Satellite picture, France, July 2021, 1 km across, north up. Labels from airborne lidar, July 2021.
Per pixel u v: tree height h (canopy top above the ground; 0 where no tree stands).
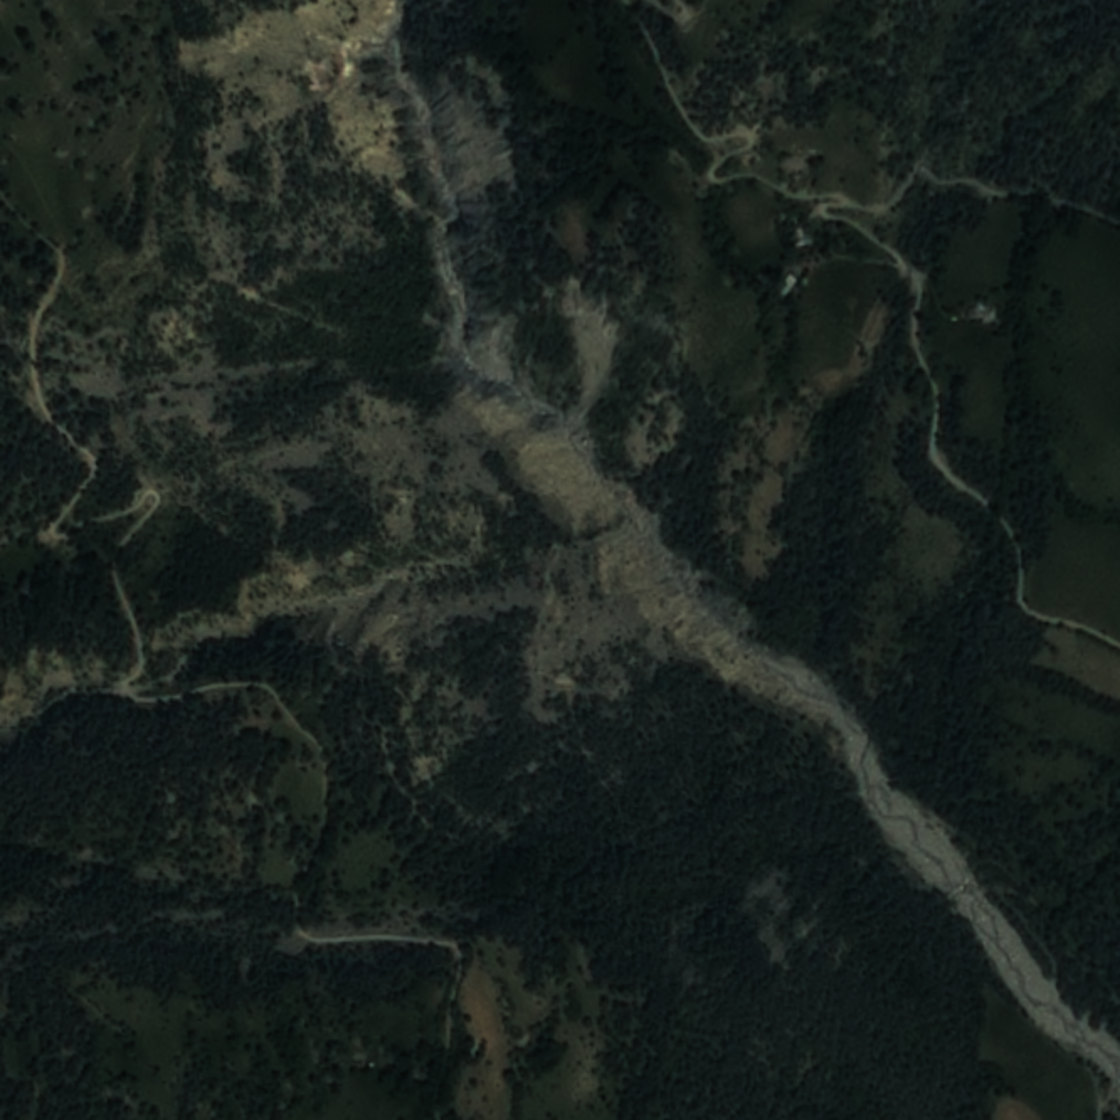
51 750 14
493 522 6
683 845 10
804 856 14
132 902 14
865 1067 9
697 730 10
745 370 0
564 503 0
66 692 7
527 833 14
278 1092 8
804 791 13
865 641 6
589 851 20
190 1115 9
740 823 14
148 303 7
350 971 11
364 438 0
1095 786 8
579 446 0
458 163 0
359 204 6
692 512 8
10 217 11
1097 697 8
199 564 9
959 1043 18
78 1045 9
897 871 11
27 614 14
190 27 7
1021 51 10
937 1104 15
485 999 0
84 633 8
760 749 16
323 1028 9
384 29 0
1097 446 0
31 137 0
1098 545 0
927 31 6
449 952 9
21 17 0
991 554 13
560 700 8
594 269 11
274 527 11
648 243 10
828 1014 10
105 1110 12
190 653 14
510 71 12
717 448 10
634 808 8
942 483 12
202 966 9
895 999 11
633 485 9
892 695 8
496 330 0
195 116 9
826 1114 9
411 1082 15
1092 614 0
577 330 0
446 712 7
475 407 0
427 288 6
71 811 8
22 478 10
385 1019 0
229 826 7
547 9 0
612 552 0
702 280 0
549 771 8
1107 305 0
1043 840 7
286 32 0
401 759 11
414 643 6
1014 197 11
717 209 7
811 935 6
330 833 15
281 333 6
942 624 9
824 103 19
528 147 12
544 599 0
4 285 12
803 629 6
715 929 12
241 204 8
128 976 6
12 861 18
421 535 5
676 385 8
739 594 9
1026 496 11
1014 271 6
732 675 0
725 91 9
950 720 16
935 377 8
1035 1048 0
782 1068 5
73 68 0
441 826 11
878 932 12
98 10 0
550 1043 10
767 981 13
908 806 0
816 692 0
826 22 7
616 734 9
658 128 11
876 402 6
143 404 6
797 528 11
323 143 9
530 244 13
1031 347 6
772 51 6
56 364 10
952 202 11
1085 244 0
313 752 5
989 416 0
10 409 15
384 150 0
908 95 8
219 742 15
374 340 9
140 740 18
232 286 6
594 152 15
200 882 6
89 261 0
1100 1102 0
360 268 10
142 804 8
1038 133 12
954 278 0
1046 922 8
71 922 11
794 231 8
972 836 14
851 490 13
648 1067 8
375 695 16
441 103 0
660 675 8
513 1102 7
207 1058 6
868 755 0
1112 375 0
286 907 11
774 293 6
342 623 0
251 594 7
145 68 7
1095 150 15
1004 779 7
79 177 0
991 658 15
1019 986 0
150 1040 0
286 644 13
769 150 6
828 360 0
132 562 8
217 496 7
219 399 9
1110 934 11
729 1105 12
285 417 6
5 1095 6
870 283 0
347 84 0
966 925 14
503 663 9
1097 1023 9
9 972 6
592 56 0
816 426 7
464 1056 8
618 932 19
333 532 9
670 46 10
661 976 13
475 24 10
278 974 12
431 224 7
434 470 6
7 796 11
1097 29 16
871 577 8
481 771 7
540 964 11
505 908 12
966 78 9
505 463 11
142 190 6
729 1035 9
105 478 6
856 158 0
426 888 9
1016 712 0
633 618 0
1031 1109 0
